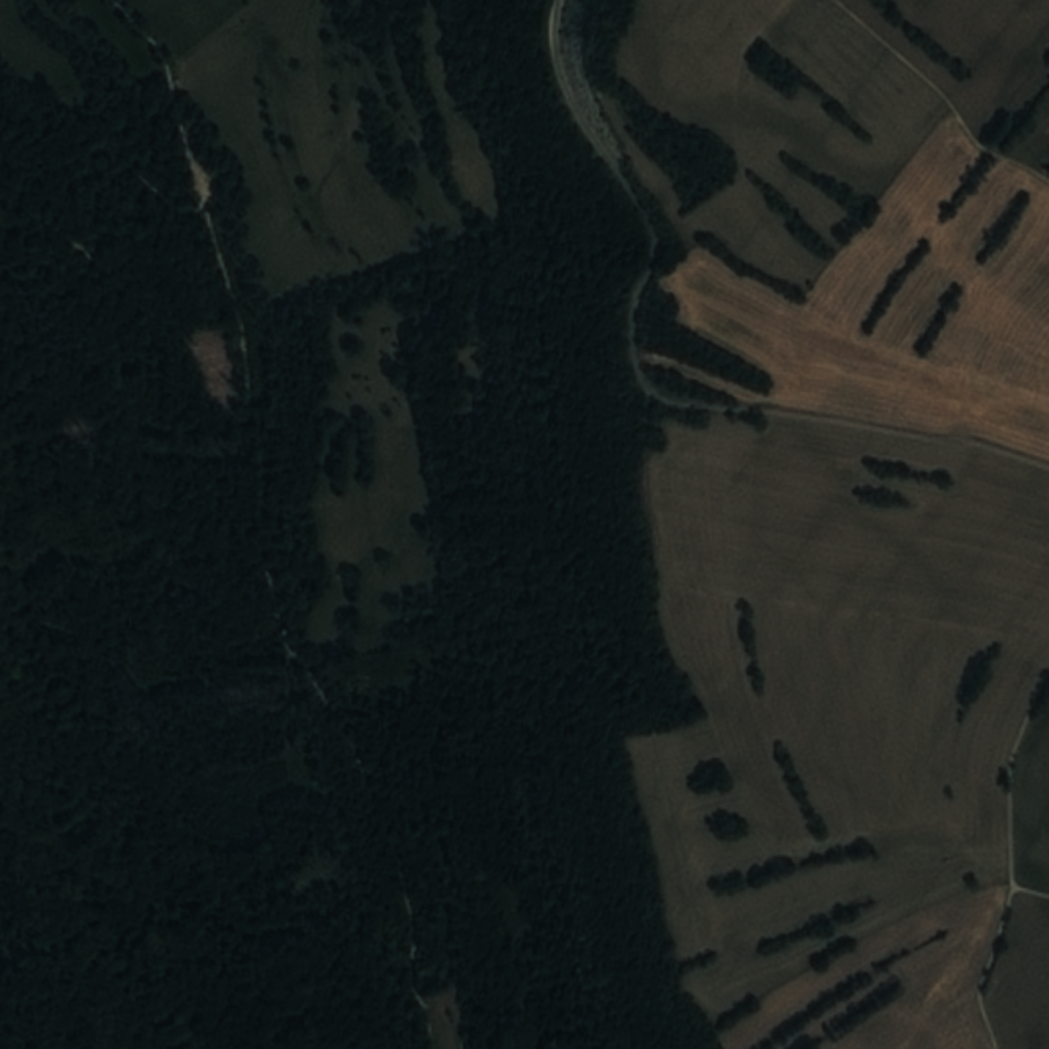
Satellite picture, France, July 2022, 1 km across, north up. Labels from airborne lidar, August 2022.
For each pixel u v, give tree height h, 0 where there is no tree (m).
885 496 15
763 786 0
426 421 23
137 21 19
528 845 16
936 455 0
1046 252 0
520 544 22
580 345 25
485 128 21
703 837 0
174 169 27
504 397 18
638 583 16
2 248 32
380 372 0
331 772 28
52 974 23
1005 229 14
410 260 19
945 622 0
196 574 25
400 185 22
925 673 0
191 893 18
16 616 32
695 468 0
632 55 0
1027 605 0
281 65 0
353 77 0
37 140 25
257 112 0
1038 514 0
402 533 0
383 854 17
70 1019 20
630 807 14
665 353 11
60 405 31
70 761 30
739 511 0
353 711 10
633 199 11
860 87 0
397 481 0
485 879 25
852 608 0
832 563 0
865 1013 14
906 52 0
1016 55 0
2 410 30
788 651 0
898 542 0
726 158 13
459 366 13
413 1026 24
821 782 0
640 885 16
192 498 30
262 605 29
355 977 21
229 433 18
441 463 24
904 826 0
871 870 0
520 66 20
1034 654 0
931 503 0
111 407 30
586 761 22
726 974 0
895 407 0
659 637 16
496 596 22
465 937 23
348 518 0
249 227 8
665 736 0
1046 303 0
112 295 30
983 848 0
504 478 23
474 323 25
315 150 0
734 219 0
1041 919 0
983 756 0
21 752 27
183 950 24
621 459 18
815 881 0
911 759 0
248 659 21
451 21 24
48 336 37
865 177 0
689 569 0
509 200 21
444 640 18
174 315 26
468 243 16
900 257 0
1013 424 0
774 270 0
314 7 0
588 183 17
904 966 0
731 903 0
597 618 28
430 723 16
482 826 18
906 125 0
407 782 25
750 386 9
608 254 30
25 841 24
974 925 0
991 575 0
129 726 29
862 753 0
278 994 30
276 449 22
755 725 0
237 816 7
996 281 0
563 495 26
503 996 7
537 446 28
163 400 23
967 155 0
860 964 0
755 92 0
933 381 0
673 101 0
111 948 31
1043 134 0
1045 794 0
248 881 21
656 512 0
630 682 32
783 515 0
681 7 0
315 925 29
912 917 0
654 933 15
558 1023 12
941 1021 0
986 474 0
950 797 10
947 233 0
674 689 27
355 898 20
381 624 0
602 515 24
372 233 0
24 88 32
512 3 25
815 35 0
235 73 0
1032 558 0
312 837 14
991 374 0
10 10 0
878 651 0
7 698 34
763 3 0
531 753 16
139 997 33
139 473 29
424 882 9
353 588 15
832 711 0
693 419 13
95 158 25
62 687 30
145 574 7
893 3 13
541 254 23
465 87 27
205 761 26
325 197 0
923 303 0
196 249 28
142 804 26
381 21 15
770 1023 0
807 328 0
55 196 23
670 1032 19
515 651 16
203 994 26
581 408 23
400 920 6
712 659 0
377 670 0
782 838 0
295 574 25
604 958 22
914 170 0
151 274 28
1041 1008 0
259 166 0
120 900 32
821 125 0
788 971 0
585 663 22
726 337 0
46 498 31
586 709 27
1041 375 0
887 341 0
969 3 0
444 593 19
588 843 20
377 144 18
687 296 0
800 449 0
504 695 23
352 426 17
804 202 0
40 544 34
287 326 23
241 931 12
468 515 19
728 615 0
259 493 25
